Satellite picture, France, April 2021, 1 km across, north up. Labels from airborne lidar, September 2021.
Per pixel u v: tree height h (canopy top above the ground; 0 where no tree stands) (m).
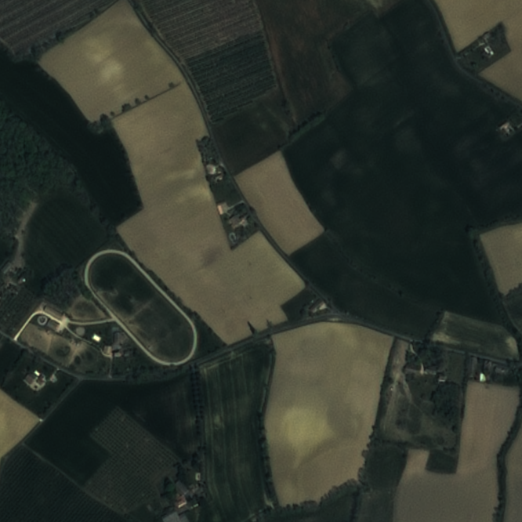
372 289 0
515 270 0
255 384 0
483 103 0
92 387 0
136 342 0
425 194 0
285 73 0
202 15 6
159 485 0
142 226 0
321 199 0
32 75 0
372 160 0
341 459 0
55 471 6
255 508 0
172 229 0
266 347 0
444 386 10
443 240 0
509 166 0
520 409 11
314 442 0
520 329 0
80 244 0
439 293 0
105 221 15
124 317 0
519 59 0
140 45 0
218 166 8
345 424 0
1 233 23
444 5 0
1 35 7
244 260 0
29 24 7
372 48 0
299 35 0
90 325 0
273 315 0
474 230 14
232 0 6
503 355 0
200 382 11
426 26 0
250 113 0
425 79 0
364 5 0
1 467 0
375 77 0
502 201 0
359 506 10
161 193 0
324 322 0
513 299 0
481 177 0
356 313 0
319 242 0
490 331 0
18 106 0
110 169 0
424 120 0
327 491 0
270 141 0
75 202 0
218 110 7
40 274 0
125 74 0
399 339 0
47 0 6
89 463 0
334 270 0
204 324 9
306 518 6
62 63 0
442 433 0
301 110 0
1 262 0
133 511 0
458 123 0
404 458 11
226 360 0
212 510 0
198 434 6
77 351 0
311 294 0
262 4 0
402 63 0
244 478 0
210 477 0
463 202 0
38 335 0
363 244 0
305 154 0
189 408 0
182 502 0
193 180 0
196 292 0
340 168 0
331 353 0
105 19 0
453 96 0
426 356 15
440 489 0
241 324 0
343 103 0
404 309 0
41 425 0
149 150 0
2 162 28
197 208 0
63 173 25
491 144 0
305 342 0
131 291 0
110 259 0
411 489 0
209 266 0
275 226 0
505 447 7
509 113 0
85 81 0
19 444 0
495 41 16
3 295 8
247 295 0
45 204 0
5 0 6
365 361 0
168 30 6
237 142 0
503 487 6
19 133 26
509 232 0
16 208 22
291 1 0
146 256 0
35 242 0
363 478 14
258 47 6
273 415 0
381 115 0
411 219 0
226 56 6
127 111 11
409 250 0
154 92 0
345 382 0
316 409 0
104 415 0
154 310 0
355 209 0
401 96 0
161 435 0
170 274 0
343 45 0
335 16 0
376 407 0
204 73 6
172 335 0
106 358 0
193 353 0
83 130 0
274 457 0
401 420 0
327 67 0
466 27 0
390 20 0
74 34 10
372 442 9
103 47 0
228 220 9
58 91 0
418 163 0
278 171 0
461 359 0
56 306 21
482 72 0
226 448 0
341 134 0
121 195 0
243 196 0
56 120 0
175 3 6
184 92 0
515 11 0
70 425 0
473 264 0
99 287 0
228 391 0
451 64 0
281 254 0
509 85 0
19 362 7
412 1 0
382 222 0
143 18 0
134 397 0
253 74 7
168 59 0
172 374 15
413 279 0
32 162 31
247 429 0
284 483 0
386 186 0
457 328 0
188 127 0
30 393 0
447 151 0
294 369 0
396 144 0
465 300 0
